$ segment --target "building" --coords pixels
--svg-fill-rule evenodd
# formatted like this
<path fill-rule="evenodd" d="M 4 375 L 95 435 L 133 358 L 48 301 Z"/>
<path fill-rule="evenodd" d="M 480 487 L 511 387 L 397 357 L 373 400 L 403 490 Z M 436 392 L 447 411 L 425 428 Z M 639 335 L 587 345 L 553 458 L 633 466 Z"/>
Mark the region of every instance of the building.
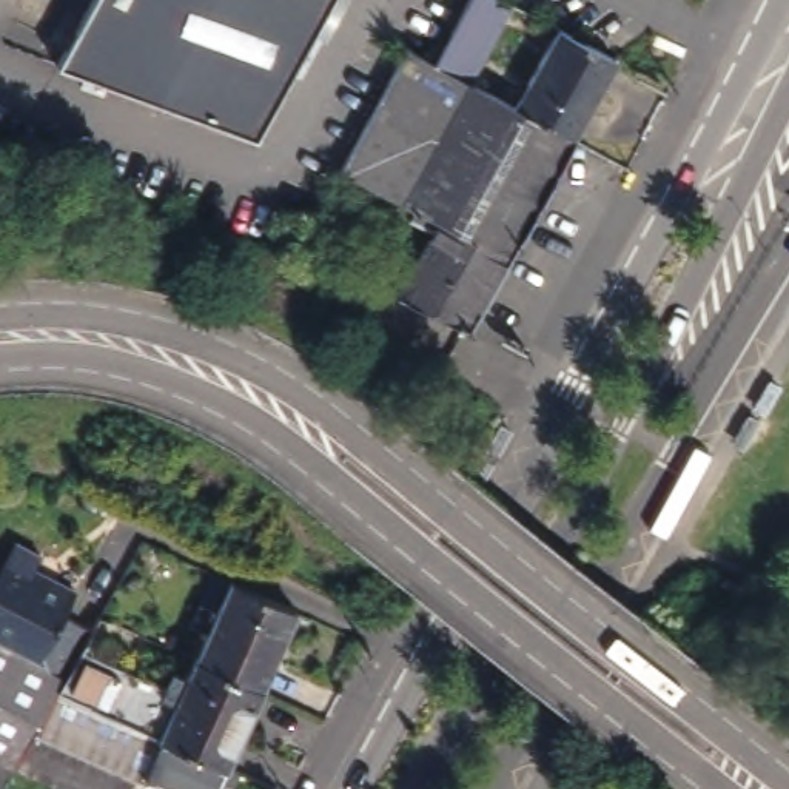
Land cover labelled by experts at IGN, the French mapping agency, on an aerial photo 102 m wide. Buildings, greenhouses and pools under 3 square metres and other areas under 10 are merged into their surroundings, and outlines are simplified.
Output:
<path fill-rule="evenodd" d="M 92 647 L 83 650 L 86 672 L 80 675 L 77 687 L 65 687 L 59 681 L 59 669 L 65 666 L 71 647 L 80 638 L 80 626 L 68 623 L 74 613 L 74 589 L 68 576 L 43 567 L 43 561 L 37 539 L 15 530 L 0 536 L 0 789 L 243 789 L 247 777 L 237 764 L 243 758 L 256 721 L 271 712 L 271 678 L 277 666 L 284 666 L 290 644 L 299 638 L 305 626 L 299 616 L 287 616 L 274 607 L 265 607 L 253 595 L 228 589 L 219 610 L 213 613 L 210 632 L 191 663 L 191 672 L 173 681 L 157 693 L 154 684 L 129 681 L 136 675 L 136 653 L 123 656 L 120 669 L 114 669 L 96 656 Z"/>
<path fill-rule="evenodd" d="M 478 234 L 481 222 L 490 213 L 490 203 L 502 191 L 509 173 L 515 170 L 530 129 L 539 123 L 561 139 L 561 145 L 576 151 L 610 80 L 619 71 L 616 59 L 601 55 L 598 49 L 576 40 L 567 31 L 549 28 L 552 40 L 539 55 L 518 102 L 509 105 L 487 89 L 468 89 L 462 86 L 462 77 L 481 74 L 499 34 L 515 25 L 518 15 L 524 18 L 521 9 L 502 9 L 496 0 L 472 0 L 438 65 L 410 59 L 395 71 L 345 170 L 370 194 L 395 203 L 401 213 L 410 213 L 410 228 L 425 231 L 425 225 L 431 225 L 438 231 L 438 237 L 416 259 L 413 284 L 395 302 L 401 308 L 419 308 L 422 317 L 431 321 L 441 314 L 450 290 L 468 268 L 475 250 L 468 247 L 468 240 Z"/>
<path fill-rule="evenodd" d="M 287 99 L 302 62 L 308 59 L 321 28 L 327 25 L 339 0 L 96 0 L 59 65 L 62 83 L 68 80 L 68 74 L 74 74 L 96 86 L 151 102 L 191 120 L 203 120 L 250 142 L 259 142 L 271 126 L 280 102 Z"/>

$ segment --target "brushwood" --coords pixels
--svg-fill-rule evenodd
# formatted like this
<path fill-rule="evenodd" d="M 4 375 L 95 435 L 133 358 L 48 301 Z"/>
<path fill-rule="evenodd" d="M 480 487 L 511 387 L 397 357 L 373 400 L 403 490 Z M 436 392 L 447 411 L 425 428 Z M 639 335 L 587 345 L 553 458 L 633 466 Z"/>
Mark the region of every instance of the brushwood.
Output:
<path fill-rule="evenodd" d="M 305 656 L 305 678 L 339 693 L 345 681 L 358 675 L 367 656 L 367 641 L 361 632 L 345 629 L 339 635 L 330 660 Z"/>
<path fill-rule="evenodd" d="M 6 493 L 25 490 L 25 478 L 34 468 L 28 456 L 15 456 L 0 468 L 0 499 Z"/>
<path fill-rule="evenodd" d="M 370 410 L 388 391 L 388 382 L 382 382 L 373 370 L 364 379 L 364 385 L 351 395 Z"/>
<path fill-rule="evenodd" d="M 163 521 L 179 536 L 210 546 L 210 552 L 219 558 L 250 558 L 256 561 L 256 567 L 280 570 L 296 542 L 296 536 L 287 527 L 287 518 L 280 515 L 280 499 L 287 493 L 284 490 L 280 496 L 262 496 L 259 490 L 247 490 L 234 478 L 213 475 L 203 465 L 185 465 L 170 484 L 157 484 L 148 478 L 120 478 L 89 465 L 77 502 L 83 509 L 99 502 L 111 515 L 142 518 Z"/>
<path fill-rule="evenodd" d="M 68 561 L 71 573 L 89 576 L 89 567 L 99 561 L 102 539 L 92 542 L 86 539 L 86 533 L 77 530 L 68 539 L 68 546 L 74 549 L 74 558 Z"/>
<path fill-rule="evenodd" d="M 348 324 L 376 324 L 382 327 L 385 339 L 391 339 L 407 324 L 416 324 L 422 317 L 419 308 L 401 308 L 395 302 L 385 308 L 367 308 L 364 302 L 345 302 L 317 287 L 293 287 L 287 280 L 287 268 L 293 262 L 287 256 L 262 253 L 268 299 L 250 327 L 287 339 L 308 370 L 317 351 L 324 348 L 324 336 L 345 330 Z"/>
<path fill-rule="evenodd" d="M 151 197 L 148 219 L 160 222 L 163 228 L 157 268 L 173 280 L 200 259 L 225 271 L 243 234 L 237 234 L 234 228 L 222 231 L 206 225 L 206 219 L 194 210 L 200 191 L 182 185 L 179 179 L 163 179 L 157 194 Z"/>
<path fill-rule="evenodd" d="M 142 604 L 136 613 L 120 616 L 120 623 L 133 629 L 136 641 L 123 641 L 120 635 L 108 632 L 99 641 L 99 647 L 92 647 L 96 656 L 114 669 L 120 669 L 123 656 L 136 653 L 136 675 L 129 681 L 154 684 L 157 693 L 173 681 L 170 675 L 176 663 L 157 653 L 163 647 L 160 635 L 173 629 L 173 623 L 160 616 L 157 604 Z"/>

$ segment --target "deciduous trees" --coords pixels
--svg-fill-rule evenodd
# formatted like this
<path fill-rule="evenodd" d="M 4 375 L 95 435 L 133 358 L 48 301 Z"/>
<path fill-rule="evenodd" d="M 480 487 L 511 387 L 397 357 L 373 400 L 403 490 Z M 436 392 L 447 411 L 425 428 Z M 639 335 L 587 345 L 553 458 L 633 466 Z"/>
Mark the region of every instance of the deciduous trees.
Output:
<path fill-rule="evenodd" d="M 385 339 L 382 327 L 376 324 L 348 324 L 345 330 L 324 336 L 324 348 L 317 351 L 308 370 L 321 388 L 351 395 L 364 385 L 364 379 L 373 370 L 385 348 Z"/>
<path fill-rule="evenodd" d="M 524 706 L 509 709 L 499 727 L 484 730 L 462 752 L 462 758 L 456 761 L 456 777 L 462 789 L 493 789 L 502 777 L 502 761 L 490 758 L 490 749 L 518 749 L 530 740 L 539 712 L 533 697 Z"/>
<path fill-rule="evenodd" d="M 669 240 L 684 240 L 693 259 L 703 256 L 706 247 L 721 243 L 718 225 L 706 216 L 706 210 L 700 210 L 687 228 L 669 231 Z"/>
<path fill-rule="evenodd" d="M 595 407 L 613 413 L 616 419 L 647 419 L 647 385 L 629 385 L 623 376 L 616 376 L 589 379 L 586 398 Z"/>
<path fill-rule="evenodd" d="M 410 213 L 401 213 L 395 203 L 370 194 L 345 170 L 327 179 L 321 203 L 311 216 L 284 213 L 271 222 L 259 222 L 256 237 L 243 234 L 225 271 L 200 259 L 173 280 L 157 268 L 163 228 L 160 222 L 148 219 L 151 197 L 142 194 L 142 185 L 126 185 L 105 157 L 96 157 L 83 148 L 46 154 L 34 151 L 28 139 L 6 139 L 6 148 L 0 151 L 0 268 L 9 280 L 22 274 L 49 280 L 142 287 L 163 293 L 173 311 L 185 324 L 194 324 L 200 330 L 250 327 L 268 299 L 262 253 L 287 256 L 293 262 L 287 268 L 287 280 L 293 287 L 317 287 L 345 302 L 364 302 L 367 308 L 385 308 L 395 302 L 413 284 L 416 259 L 438 237 L 438 231 L 431 225 L 425 225 L 425 231 L 410 228 Z"/>
<path fill-rule="evenodd" d="M 441 700 L 444 715 L 462 712 L 478 700 L 478 687 L 472 681 L 475 650 L 456 647 L 450 653 L 447 681 L 431 681 L 428 675 L 422 678 L 425 693 Z"/>
<path fill-rule="evenodd" d="M 435 373 L 428 385 L 388 382 L 388 391 L 370 410 L 370 428 L 385 444 L 398 444 L 407 431 L 413 438 L 413 447 L 425 450 L 428 462 L 438 472 L 484 475 L 484 465 L 493 456 L 493 422 L 499 416 L 499 404 L 487 391 L 462 379 L 453 361 Z"/>
<path fill-rule="evenodd" d="M 672 419 L 663 419 L 656 425 L 660 435 L 675 438 L 678 444 L 681 438 L 693 438 L 693 422 L 700 416 L 693 407 L 693 395 L 687 391 L 675 401 Z"/>
<path fill-rule="evenodd" d="M 361 564 L 342 564 L 339 570 L 324 573 L 317 589 L 330 595 L 333 604 L 348 616 L 345 629 L 361 632 L 404 629 L 416 619 L 419 610 L 413 607 L 407 592 L 391 586 L 379 570 Z"/>
<path fill-rule="evenodd" d="M 546 496 L 555 499 L 570 518 L 570 524 L 583 530 L 579 558 L 589 564 L 604 564 L 623 555 L 629 530 L 623 530 L 619 505 L 610 505 L 607 487 L 598 487 L 598 481 L 604 478 L 604 465 L 595 459 L 595 453 L 598 444 L 610 435 L 601 431 L 595 422 L 586 431 L 564 428 L 564 438 L 555 447 L 555 468 L 561 478 Z"/>
<path fill-rule="evenodd" d="M 660 324 L 644 324 L 641 330 L 623 330 L 619 324 L 616 342 L 623 354 L 669 358 L 669 330 L 663 330 Z"/>
<path fill-rule="evenodd" d="M 604 749 L 607 737 L 598 737 L 589 727 L 589 721 L 576 715 L 573 721 L 567 721 L 570 734 L 555 743 L 558 767 L 546 777 L 542 789 L 672 789 L 666 771 L 653 758 L 638 764 L 613 764 L 610 752 Z"/>
<path fill-rule="evenodd" d="M 712 684 L 724 693 L 734 693 L 737 700 L 746 700 L 761 721 L 771 721 L 777 734 L 789 737 L 789 490 L 777 490 L 752 509 L 752 542 L 746 549 L 721 546 L 706 555 L 669 564 L 644 592 L 653 604 L 672 607 L 675 616 L 684 619 L 675 644 L 712 678 Z"/>
<path fill-rule="evenodd" d="M 672 83 L 681 59 L 656 52 L 656 37 L 647 28 L 619 46 L 616 59 L 619 71 Z"/>

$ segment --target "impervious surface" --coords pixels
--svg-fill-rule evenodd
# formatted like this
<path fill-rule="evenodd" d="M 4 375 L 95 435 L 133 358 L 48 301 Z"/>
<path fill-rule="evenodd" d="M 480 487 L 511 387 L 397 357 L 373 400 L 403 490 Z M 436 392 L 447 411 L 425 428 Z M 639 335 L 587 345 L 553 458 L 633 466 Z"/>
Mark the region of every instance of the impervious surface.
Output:
<path fill-rule="evenodd" d="M 280 102 L 271 126 L 259 142 L 250 142 L 203 120 L 191 120 L 151 102 L 96 86 L 74 74 L 68 74 L 68 80 L 62 83 L 59 65 L 96 0 L 0 0 L 0 151 L 6 148 L 6 139 L 28 139 L 34 151 L 46 154 L 83 148 L 96 157 L 105 157 L 126 185 L 142 185 L 142 194 L 151 197 L 157 194 L 163 179 L 179 179 L 182 185 L 200 191 L 194 210 L 206 219 L 206 225 L 222 231 L 234 228 L 237 234 L 243 234 L 256 237 L 259 222 L 271 222 L 284 213 L 311 216 L 321 203 L 327 179 L 345 170 L 395 71 L 410 59 L 438 65 L 472 0 L 339 0 L 327 25 L 321 28 L 308 59 L 302 62 L 287 99 Z"/>
<path fill-rule="evenodd" d="M 185 598 L 179 619 L 173 623 L 173 629 L 160 635 L 163 647 L 157 653 L 176 663 L 170 675 L 173 681 L 191 672 L 191 663 L 210 632 L 213 613 L 219 610 L 228 589 L 253 595 L 265 607 L 274 607 L 287 616 L 299 616 L 305 626 L 308 616 L 321 616 L 339 635 L 345 629 L 348 616 L 333 604 L 330 595 L 317 589 L 290 579 L 277 586 L 222 576 L 213 567 L 182 555 L 179 564 L 191 570 L 194 586 Z"/>
<path fill-rule="evenodd" d="M 133 629 L 120 623 L 120 616 L 111 616 L 108 607 L 126 583 L 139 579 L 148 570 L 145 555 L 173 555 L 173 549 L 160 539 L 142 536 L 142 518 L 111 515 L 86 533 L 86 539 L 92 542 L 102 539 L 99 561 L 89 567 L 89 576 L 71 573 L 68 561 L 74 558 L 74 549 L 68 546 L 59 555 L 46 555 L 43 561 L 43 567 L 68 576 L 74 589 L 74 613 L 68 623 L 80 626 L 80 638 L 71 647 L 65 666 L 59 669 L 59 681 L 65 687 L 77 687 L 80 675 L 86 672 L 83 650 L 92 647 L 99 647 L 99 641 L 108 632 L 120 635 L 123 641 L 136 641 Z"/>
<path fill-rule="evenodd" d="M 709 505 L 730 462 L 740 453 L 749 453 L 771 431 L 771 413 L 783 398 L 783 376 L 789 370 L 789 0 L 496 0 L 502 9 L 521 9 L 524 18 L 518 15 L 515 25 L 499 34 L 481 74 L 462 77 L 462 86 L 468 89 L 487 89 L 509 105 L 518 102 L 539 55 L 552 40 L 549 28 L 567 31 L 576 40 L 598 49 L 601 55 L 616 59 L 619 46 L 647 28 L 656 37 L 656 52 L 681 59 L 672 83 L 619 71 L 610 80 L 576 151 L 561 145 L 561 139 L 539 123 L 530 129 L 515 170 L 509 173 L 502 191 L 490 203 L 490 213 L 481 222 L 478 234 L 468 240 L 468 247 L 475 250 L 468 268 L 450 290 L 441 314 L 431 321 L 422 317 L 416 324 L 407 324 L 391 339 L 385 339 L 385 348 L 373 370 L 382 382 L 388 382 L 428 385 L 435 373 L 453 361 L 462 379 L 487 391 L 499 404 L 499 416 L 493 422 L 493 456 L 484 465 L 484 475 L 438 472 L 428 462 L 425 450 L 413 447 L 413 438 L 407 431 L 398 444 L 385 444 L 370 428 L 370 410 L 351 395 L 321 388 L 308 370 L 287 339 L 250 327 L 200 330 L 194 324 L 185 324 L 173 311 L 163 293 L 142 287 L 49 280 L 22 274 L 9 280 L 0 268 L 0 398 L 83 398 L 102 401 L 105 407 L 136 407 L 170 428 L 188 428 L 213 441 L 216 447 L 243 459 L 250 468 L 262 472 L 284 490 L 287 493 L 296 496 L 321 524 L 327 524 L 351 549 L 358 549 L 361 564 L 379 570 L 391 586 L 407 592 L 413 607 L 419 610 L 416 619 L 404 629 L 361 632 L 367 641 L 367 656 L 358 675 L 345 681 L 339 693 L 305 678 L 284 666 L 277 666 L 271 678 L 271 712 L 256 721 L 243 758 L 237 764 L 247 777 L 243 789 L 462 789 L 456 777 L 456 761 L 462 758 L 462 752 L 484 730 L 499 727 L 509 709 L 524 706 L 533 697 L 539 712 L 530 740 L 518 749 L 490 749 L 490 758 L 502 761 L 502 777 L 493 789 L 542 789 L 546 777 L 558 767 L 555 743 L 570 734 L 567 721 L 573 721 L 576 715 L 589 721 L 589 727 L 598 737 L 607 737 L 604 749 L 610 752 L 613 764 L 638 764 L 653 758 L 666 771 L 672 789 L 789 789 L 789 737 L 777 734 L 771 721 L 761 721 L 746 700 L 737 700 L 734 693 L 724 693 L 712 684 L 712 678 L 675 644 L 684 619 L 675 616 L 672 607 L 653 604 L 644 592 L 669 564 L 706 555 L 693 539 L 693 521 Z M 693 259 L 684 240 L 669 240 L 669 231 L 687 228 L 700 210 L 706 210 L 706 216 L 718 225 L 721 243 L 706 247 L 703 256 Z M 623 354 L 616 342 L 619 324 L 623 330 L 641 330 L 644 324 L 660 324 L 663 330 L 669 330 L 669 358 Z M 616 419 L 613 413 L 595 407 L 586 398 L 589 379 L 616 376 L 623 376 L 629 385 L 647 385 L 647 419 Z M 675 438 L 660 435 L 656 425 L 663 419 L 672 419 L 675 401 L 687 391 L 693 395 L 693 407 L 700 416 L 693 422 L 693 438 L 681 438 L 678 444 Z M 595 422 L 601 431 L 610 435 L 619 444 L 644 447 L 653 453 L 650 472 L 644 475 L 632 502 L 619 505 L 623 530 L 629 530 L 623 555 L 604 564 L 589 564 L 579 558 L 583 530 L 570 524 L 570 518 L 555 499 L 546 496 L 561 478 L 555 468 L 555 447 L 564 438 L 564 428 L 586 431 Z M 422 678 L 428 675 L 431 681 L 447 681 L 450 653 L 456 647 L 475 650 L 472 681 L 478 687 L 478 700 L 462 712 L 444 715 L 441 700 L 425 693 Z"/>

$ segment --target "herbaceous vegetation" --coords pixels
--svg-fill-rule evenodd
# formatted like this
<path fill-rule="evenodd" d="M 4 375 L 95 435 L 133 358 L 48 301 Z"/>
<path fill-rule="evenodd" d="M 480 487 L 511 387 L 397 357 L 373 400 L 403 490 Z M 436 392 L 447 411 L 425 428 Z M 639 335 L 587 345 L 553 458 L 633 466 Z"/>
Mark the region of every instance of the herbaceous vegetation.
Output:
<path fill-rule="evenodd" d="M 299 638 L 290 644 L 284 666 L 305 678 L 305 656 L 330 660 L 339 635 L 321 616 L 308 616 L 305 626 Z"/>
<path fill-rule="evenodd" d="M 595 459 L 604 465 L 604 478 L 598 481 L 598 487 L 607 487 L 610 505 L 619 505 L 632 502 L 644 475 L 650 472 L 653 453 L 644 447 L 619 444 L 610 435 L 598 444 L 595 453 Z"/>
<path fill-rule="evenodd" d="M 0 536 L 15 530 L 37 539 L 43 561 L 46 555 L 59 555 L 68 546 L 68 539 L 77 530 L 86 533 L 111 515 L 99 502 L 83 509 L 77 502 L 89 465 L 120 478 L 148 478 L 157 484 L 170 484 L 185 465 L 203 465 L 213 475 L 234 478 L 247 490 L 259 490 L 262 496 L 280 496 L 284 490 L 262 472 L 250 468 L 243 459 L 216 447 L 213 441 L 188 428 L 170 428 L 136 407 L 105 407 L 102 401 L 83 398 L 0 398 L 0 468 L 15 456 L 28 456 L 34 468 L 25 478 L 25 490 L 6 493 L 0 499 Z"/>
<path fill-rule="evenodd" d="M 721 546 L 746 549 L 752 542 L 752 509 L 777 490 L 789 490 L 789 370 L 783 376 L 783 398 L 771 413 L 771 431 L 749 453 L 740 453 L 730 462 L 709 505 L 693 521 L 693 539 L 706 555 Z"/>
<path fill-rule="evenodd" d="M 191 570 L 179 564 L 182 555 L 213 567 L 222 576 L 277 586 L 290 579 L 317 589 L 324 573 L 339 570 L 342 564 L 361 564 L 358 549 L 351 549 L 327 524 L 321 524 L 296 496 L 287 493 L 280 499 L 280 515 L 287 518 L 287 527 L 296 536 L 296 542 L 280 570 L 256 567 L 256 561 L 250 558 L 219 558 L 210 552 L 210 546 L 179 536 L 163 521 L 142 518 L 142 536 L 160 539 L 173 549 L 173 555 L 145 555 L 148 570 L 139 579 L 126 583 L 108 607 L 111 616 L 120 616 L 136 613 L 142 604 L 157 604 L 160 616 L 173 623 L 179 619 L 185 598 L 194 586 Z"/>

